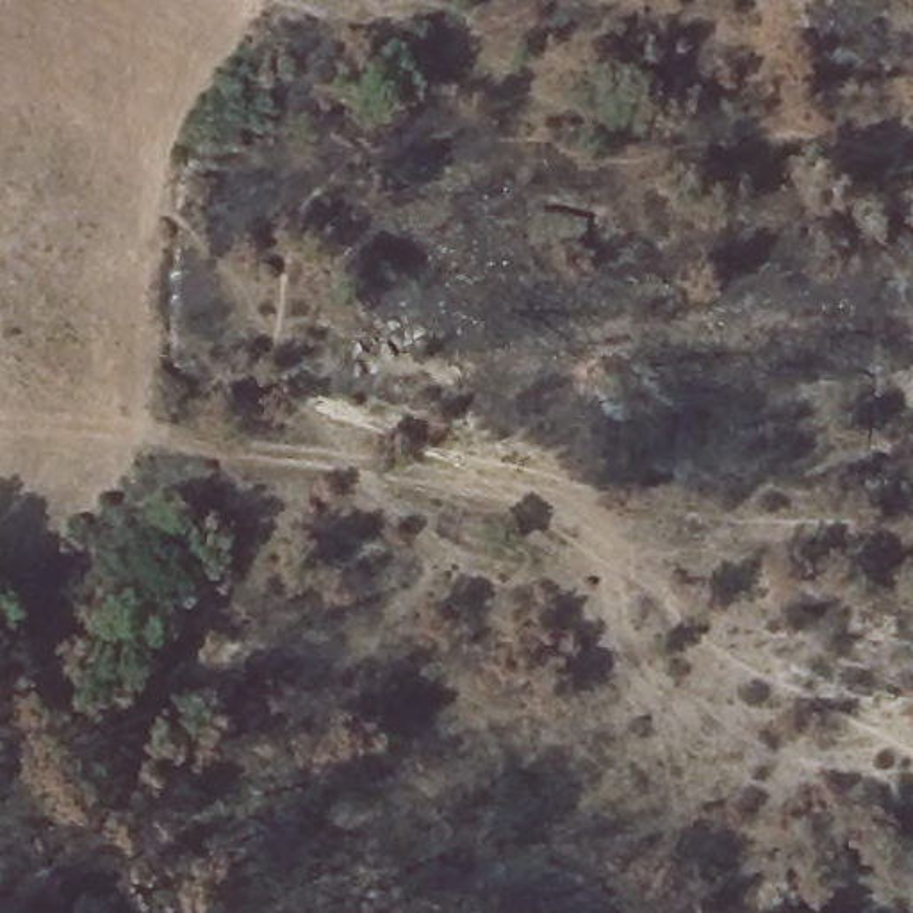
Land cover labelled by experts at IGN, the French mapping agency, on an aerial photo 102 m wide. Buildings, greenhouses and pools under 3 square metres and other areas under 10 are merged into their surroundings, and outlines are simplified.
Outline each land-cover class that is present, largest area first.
<instances>
[{"label":"bare soil","instance_id":"1","mask_svg":"<svg viewBox=\"0 0 913 913\"><path fill-rule=\"evenodd\" d=\"M624 4L628 11L653 7V14H674L678 21H710L717 43L753 46L760 53V68L749 75V82L760 86V93L781 100L777 114L763 128H756L753 121H738L735 146H706L703 164L692 168L670 157L667 150L653 146H628L617 157H596V121L578 114H553L546 121V143L517 146V136H503L499 121L481 111V96L460 93L453 82H446L442 100L453 107V114L435 128V139L449 143L453 164L442 168L435 182H424L417 189V203L392 207L389 157L396 153V125L389 121L378 128H360L342 103L321 107L310 96V89L321 82H360V64L371 61V43L364 36H353L350 21H407L414 14L439 11L442 0H264V11L250 21L239 46L260 64V75H271V118L260 132H239V153H214L210 171H200L196 160L178 164L171 157L168 196L160 210L164 257L153 278V307L160 321V374L150 407L153 421H168L171 432L157 449L210 457L221 464V478L182 481L185 506L178 514L189 524L207 521L214 514L221 535L232 539L228 567L218 578H210L218 596L232 603V617L214 638H203L200 663L225 667L232 660H246L250 653L278 649L282 656L300 660V674L289 685L296 699L357 706L371 713L389 738L385 753L328 763L332 770L325 777L296 770L289 785L267 788L264 806L250 817H235V806L246 795L243 767L225 763L221 756H214L200 777L160 785L171 838L207 835L228 856V867L235 874V884L228 892V913H913V78L892 82V96L902 103V121L895 118L863 128L849 121L838 132H824V118L817 107H810L806 93L810 50L802 43V29H810L806 7L813 0H592ZM506 506H514L517 531L542 549L549 574V581H542L549 599L542 613L549 642L524 653L528 670L481 663L478 674H464L453 688H446L442 681L421 678V667L435 660V646H417V638L382 646L374 656L353 667L342 663V653L350 649L346 621L364 617V624L374 628L385 613V603L417 581L421 528L439 531V539L453 542L464 553H492L481 524L489 514ZM300 535H307L314 549L325 556V563L339 571L350 603L328 606L321 592L310 588L285 592L282 578H271L264 592L246 585L253 556L264 542H271L275 553H289L292 539ZM749 681H767L777 695L795 699H849L860 706V713L838 731L835 749H817L802 735L792 745L767 749L760 728H767L774 717L767 706H749L742 699V685ZM0 560L21 567V585L36 596L43 613L93 606V592L86 585V574L93 567L89 553H61V535L50 531L46 499L36 496L0 528ZM18 827L14 799L0 788V913H139L128 902L125 881L118 874L86 870L82 863L71 867L68 884H50L43 877L39 892L25 888L21 870L7 860V831Z\"/></svg>","mask_w":913,"mask_h":913},{"label":"coniferous trees","instance_id":"2","mask_svg":"<svg viewBox=\"0 0 913 913\"><path fill-rule=\"evenodd\" d=\"M353 36H364L371 43V61L360 64V82H321L310 89V96L321 107L342 103L360 128H378L389 121L396 125V153L389 157L392 207L417 203V189L424 182H435L442 168L453 164L449 143L435 139V128L453 114V107L442 100L446 82H453L460 93L481 96V111L499 121L503 136H517V146L546 143V121L553 114H578L596 121V157H617L628 146H653L667 150L670 157L692 168L703 164L706 146H735L738 121H753L756 128H763L777 114L781 100L760 93V86L749 82V75L760 68V53L753 46L717 43L710 21H678L674 14H653V7L628 11L624 4L592 0H442L439 11L414 14L407 21H350ZM810 29H802V43L810 50L806 93L810 107H817L824 118V132H838L849 121L863 128L895 118L902 121V103L892 96V82L913 78V0H813L806 7ZM221 478V464L210 457L157 449L139 453L136 471L125 474L114 492H103L93 514H75L68 521V531L61 535V553H89L93 567L86 574V585L93 592V606L43 613L36 596L21 585V567L0 560V788L14 799L18 827L7 831V860L21 870L25 888L39 892L43 877L50 884H68L71 867L82 863L86 870L118 874L125 881L128 902L139 913H228V892L235 884V874L228 867V856L207 835L171 838L160 785L200 777L214 756H221L225 763L243 767L246 795L235 806V817H250L264 806L267 788L289 785L296 770L325 777L332 770L328 763L385 753L389 738L371 713L357 706L296 699L289 685L300 674V660L282 656L278 649L250 653L246 660H232L225 667L200 663L203 638H214L232 617V603L218 596L210 578H218L228 567L232 539L221 535L214 514L207 521L189 524L178 514L185 506L182 481ZM36 496L21 489L18 478L0 481V528ZM492 553H464L453 542L439 539V531L421 528L417 581L385 603V613L374 628L364 624V617L346 621L350 649L342 653V663L353 667L374 656L382 646L417 638V646H435V660L421 667V678L442 681L446 688H453L464 674H478L481 663L528 670L524 653L549 642L542 613L549 599L542 581H549V574L542 549L517 531L514 506H506L489 514L481 524ZM271 578H282L285 592L310 588L321 592L328 606L350 603L339 571L325 563V556L314 549L307 535H300L292 539L289 553H275L271 542H264L253 556L246 585L264 592Z\"/></svg>","mask_w":913,"mask_h":913},{"label":"agricultural land","instance_id":"3","mask_svg":"<svg viewBox=\"0 0 913 913\"><path fill-rule=\"evenodd\" d=\"M264 11V0H0V481L18 478L21 489L36 496L46 499L50 531L61 535L68 531V521L75 514H93L103 492H114L125 474L136 471L139 453L157 449L171 432L168 421H153L150 407L160 374V321L153 307V278L164 257L160 210L168 196L171 157L185 114L200 100V93L210 89L214 71L239 46L250 21Z\"/></svg>","mask_w":913,"mask_h":913},{"label":"brushwood","instance_id":"4","mask_svg":"<svg viewBox=\"0 0 913 913\"><path fill-rule=\"evenodd\" d=\"M271 118V75H260V64L239 46L214 71L210 89L200 93V100L185 114L171 157L178 164L196 160L200 171H210L214 153H239V132H260ZM742 699L749 706H767L774 717L767 728H760L767 749L792 745L802 735L817 749H835L838 731L860 713V706L849 699H795L777 695L767 681H749L742 685Z\"/></svg>","mask_w":913,"mask_h":913}]
</instances>
